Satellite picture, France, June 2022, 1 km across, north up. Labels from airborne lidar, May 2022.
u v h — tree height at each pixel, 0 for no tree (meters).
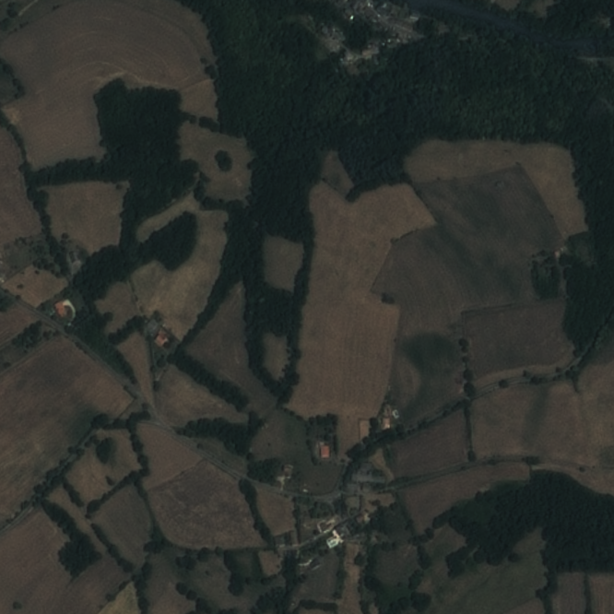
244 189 0
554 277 11
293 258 0
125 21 0
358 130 23
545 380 12
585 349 14
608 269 14
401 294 0
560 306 0
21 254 0
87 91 0
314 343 0
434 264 0
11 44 0
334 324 0
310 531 0
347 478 11
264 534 17
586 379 0
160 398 0
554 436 0
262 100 16
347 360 0
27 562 0
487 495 13
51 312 0
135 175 12
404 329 0
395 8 0
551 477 12
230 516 0
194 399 0
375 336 0
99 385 0
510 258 0
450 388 0
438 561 0
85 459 0
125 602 0
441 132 16
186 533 0
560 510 21
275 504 0
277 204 17
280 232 23
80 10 0
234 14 13
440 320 0
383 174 25
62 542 0
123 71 0
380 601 7
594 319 10
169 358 9
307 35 22
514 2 0
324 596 0
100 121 9
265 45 18
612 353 0
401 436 15
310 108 16
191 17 0
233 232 19
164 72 0
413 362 0
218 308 14
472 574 0
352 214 0
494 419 0
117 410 0
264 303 16
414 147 7
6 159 0
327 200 0
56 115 0
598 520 22
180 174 12
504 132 13
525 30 0
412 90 14
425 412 0
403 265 0
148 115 18
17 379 0
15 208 0
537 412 0
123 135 16
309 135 18
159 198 15
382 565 0
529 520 22
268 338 0
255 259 19
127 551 0
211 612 11
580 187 16
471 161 0
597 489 0
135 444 11
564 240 0
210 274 0
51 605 0
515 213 0
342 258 0
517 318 0
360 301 0
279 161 23
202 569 0
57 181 15
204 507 0
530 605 0
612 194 19
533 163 0
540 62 14
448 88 18
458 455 0
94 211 0
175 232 13
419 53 18
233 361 0
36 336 7
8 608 0
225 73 17
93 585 0
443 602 0
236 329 0
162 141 13
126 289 0
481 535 24
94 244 0
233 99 15
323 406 0
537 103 21
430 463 0
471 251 0
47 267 11
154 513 0
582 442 0
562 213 0
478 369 0
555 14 15
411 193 0
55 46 0
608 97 13
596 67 15
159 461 0
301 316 12
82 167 17
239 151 0
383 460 0
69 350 0
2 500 0
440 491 0
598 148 18
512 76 13
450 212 0
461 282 0
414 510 0
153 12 0
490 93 15
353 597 0
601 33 10
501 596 0
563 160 0
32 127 0
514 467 0
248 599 0
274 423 0
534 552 0
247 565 0
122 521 0
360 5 0
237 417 0
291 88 22
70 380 0
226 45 16
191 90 0
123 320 0
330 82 18
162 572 0
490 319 0
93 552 15
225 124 19
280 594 20
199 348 0
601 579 0
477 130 17
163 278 0
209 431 13
